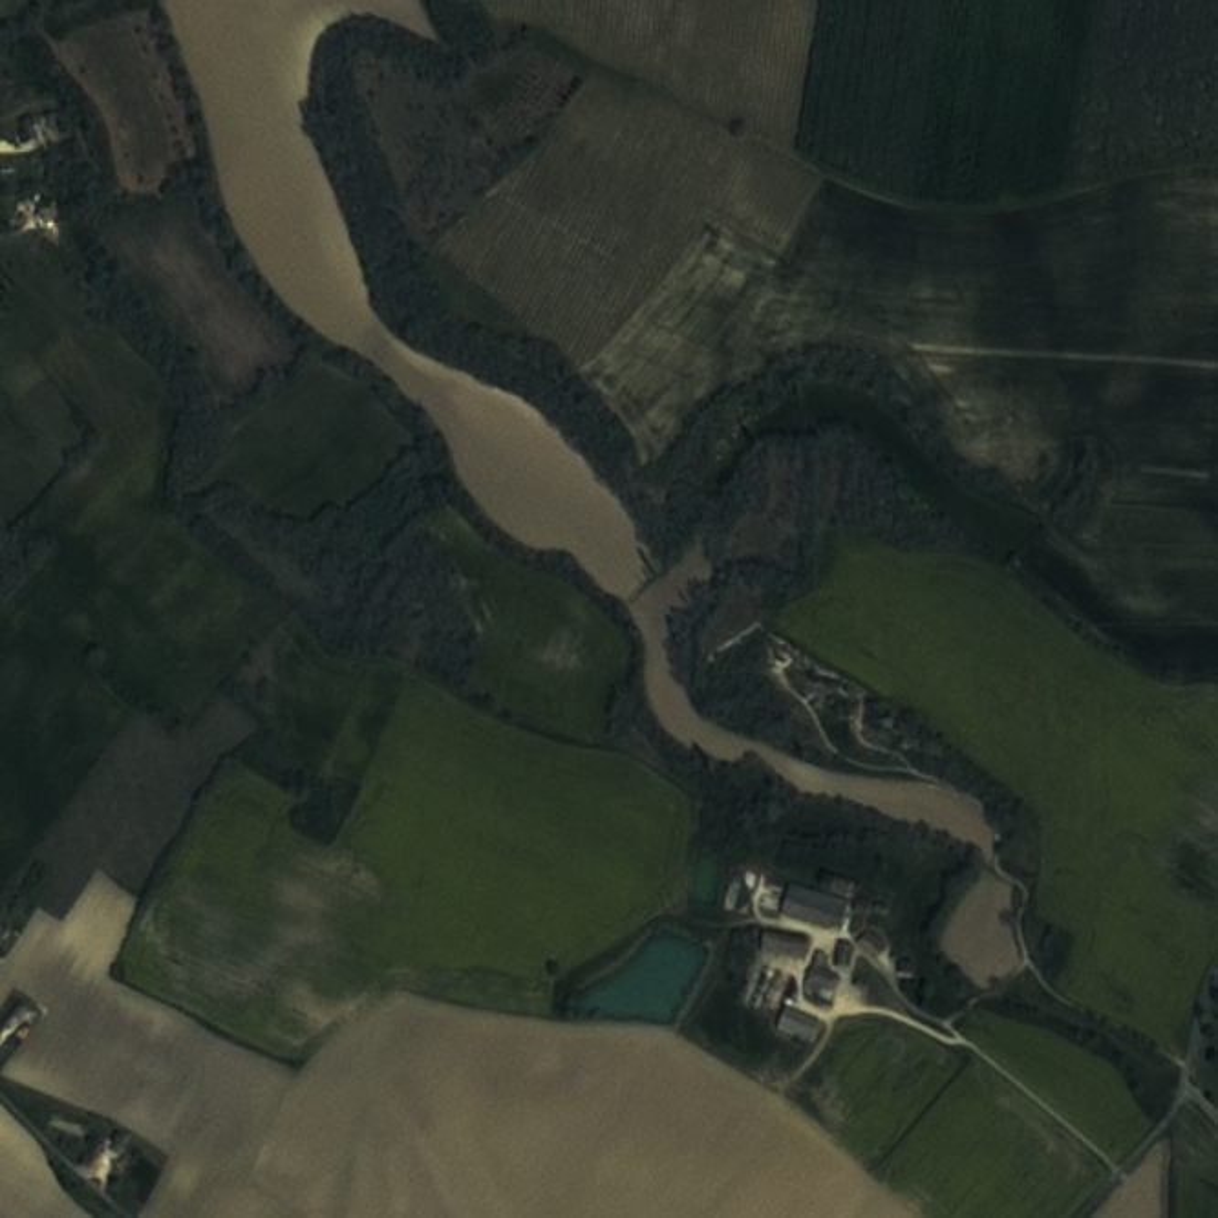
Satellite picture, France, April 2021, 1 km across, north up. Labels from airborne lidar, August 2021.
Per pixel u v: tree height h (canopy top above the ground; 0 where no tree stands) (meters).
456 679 10
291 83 0
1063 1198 0
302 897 0
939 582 0
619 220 0
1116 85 7
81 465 14
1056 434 0
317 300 0
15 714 0
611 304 0
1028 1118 0
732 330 0
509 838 0
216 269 0
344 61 9
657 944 0
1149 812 0
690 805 0
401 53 10
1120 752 0
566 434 21
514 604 0
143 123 0
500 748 0
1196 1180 0
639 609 0
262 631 0
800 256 0
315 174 0
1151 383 0
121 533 0
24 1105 0
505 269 0
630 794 0
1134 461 0
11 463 0
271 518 13
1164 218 0
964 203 6
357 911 0
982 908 0
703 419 11
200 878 0
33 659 0
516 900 0
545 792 0
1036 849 0
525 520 0
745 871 0
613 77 0
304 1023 0
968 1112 0
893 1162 0
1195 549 0
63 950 0
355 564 10
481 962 0
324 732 0
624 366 0
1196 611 0
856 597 0
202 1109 0
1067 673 0
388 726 0
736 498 19
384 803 0
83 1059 0
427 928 0
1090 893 0
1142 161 6
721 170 0
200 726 0
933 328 0
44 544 14
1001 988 12
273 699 0
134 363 0
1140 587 0
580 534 0
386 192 12
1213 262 0
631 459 9
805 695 0
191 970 0
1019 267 0
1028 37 6
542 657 0
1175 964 0
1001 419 0
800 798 14
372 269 14
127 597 0
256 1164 0
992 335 0
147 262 0
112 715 0
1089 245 0
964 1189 0
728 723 10
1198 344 0
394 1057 0
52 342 0
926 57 7
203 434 19
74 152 10
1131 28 7
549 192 0
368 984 0
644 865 0
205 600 0
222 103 0
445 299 9
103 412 0
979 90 7
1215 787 0
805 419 0
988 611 0
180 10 0
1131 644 0
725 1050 0
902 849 0
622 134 0
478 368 22
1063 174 7
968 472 9
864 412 0
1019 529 0
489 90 0
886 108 7
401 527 11
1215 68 8
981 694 0
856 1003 0
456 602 18
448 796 0
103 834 0
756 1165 0
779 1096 0
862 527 12
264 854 0
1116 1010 0
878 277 0
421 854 0
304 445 0
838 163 6
